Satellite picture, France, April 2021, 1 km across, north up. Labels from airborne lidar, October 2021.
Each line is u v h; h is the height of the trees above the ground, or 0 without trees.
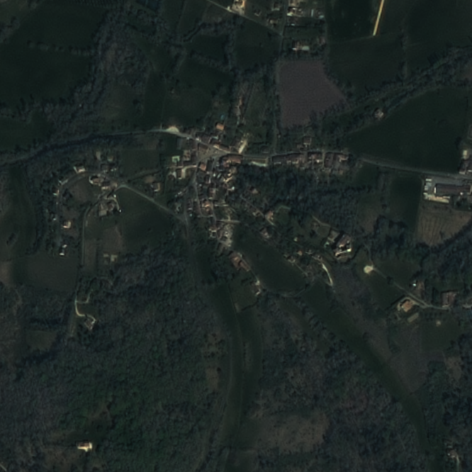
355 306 15
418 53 0
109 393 23
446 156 0
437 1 0
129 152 0
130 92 0
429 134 0
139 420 26
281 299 12
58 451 15
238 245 0
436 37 0
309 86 0
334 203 6
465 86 13
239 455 0
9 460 8
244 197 7
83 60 0
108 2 22
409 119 0
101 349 7
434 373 11
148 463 29
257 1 0
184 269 24
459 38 0
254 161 0
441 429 0
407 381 0
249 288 0
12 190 7
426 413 12
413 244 22
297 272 0
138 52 17
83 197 0
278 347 10
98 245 6
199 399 17
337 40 0
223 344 9
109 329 13
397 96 6
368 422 21
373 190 15
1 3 0
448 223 0
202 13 0
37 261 0
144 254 15
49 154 20
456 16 0
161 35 8
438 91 8
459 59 10
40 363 14
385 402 26
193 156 0
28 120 17
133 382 28
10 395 18
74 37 0
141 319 21
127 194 0
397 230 15
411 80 6
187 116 0
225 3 0
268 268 0
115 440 13
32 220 0
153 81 0
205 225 6
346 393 17
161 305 18
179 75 0
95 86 20
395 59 0
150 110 0
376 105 0
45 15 0
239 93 25
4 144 0
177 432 21
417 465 22
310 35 0
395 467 12
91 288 7
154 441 23
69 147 7
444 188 0
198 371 24
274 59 10
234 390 0
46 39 0
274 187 8
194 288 23
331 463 22
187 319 17
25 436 8
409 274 0
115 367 22
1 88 0
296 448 0
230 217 0
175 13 0
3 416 12
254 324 0
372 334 0
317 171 13
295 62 20
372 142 0
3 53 0
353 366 20
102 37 19
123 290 20
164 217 0
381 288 0
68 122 11
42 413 21
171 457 16
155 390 27
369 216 0
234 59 16
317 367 19
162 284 28
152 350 25
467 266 18
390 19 0
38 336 0
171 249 8
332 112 16
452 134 0
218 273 7
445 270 11
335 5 0
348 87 11
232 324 0
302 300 7
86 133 13
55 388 19
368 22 0
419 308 8
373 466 14
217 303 0
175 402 18
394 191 0
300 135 13
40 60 0
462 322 17
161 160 6
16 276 0
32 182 6
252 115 0
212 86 0
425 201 0
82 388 23
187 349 20
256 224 6
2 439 17
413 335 0
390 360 0
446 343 0
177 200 9
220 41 0
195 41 0
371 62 0
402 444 19
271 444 0
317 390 19
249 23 0
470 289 10
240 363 0
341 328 0
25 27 0
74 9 0
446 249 12
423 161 0
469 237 17
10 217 0
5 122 0
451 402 17
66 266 0
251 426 0
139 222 0
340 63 0
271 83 27
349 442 27
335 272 0
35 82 0
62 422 11
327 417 13
